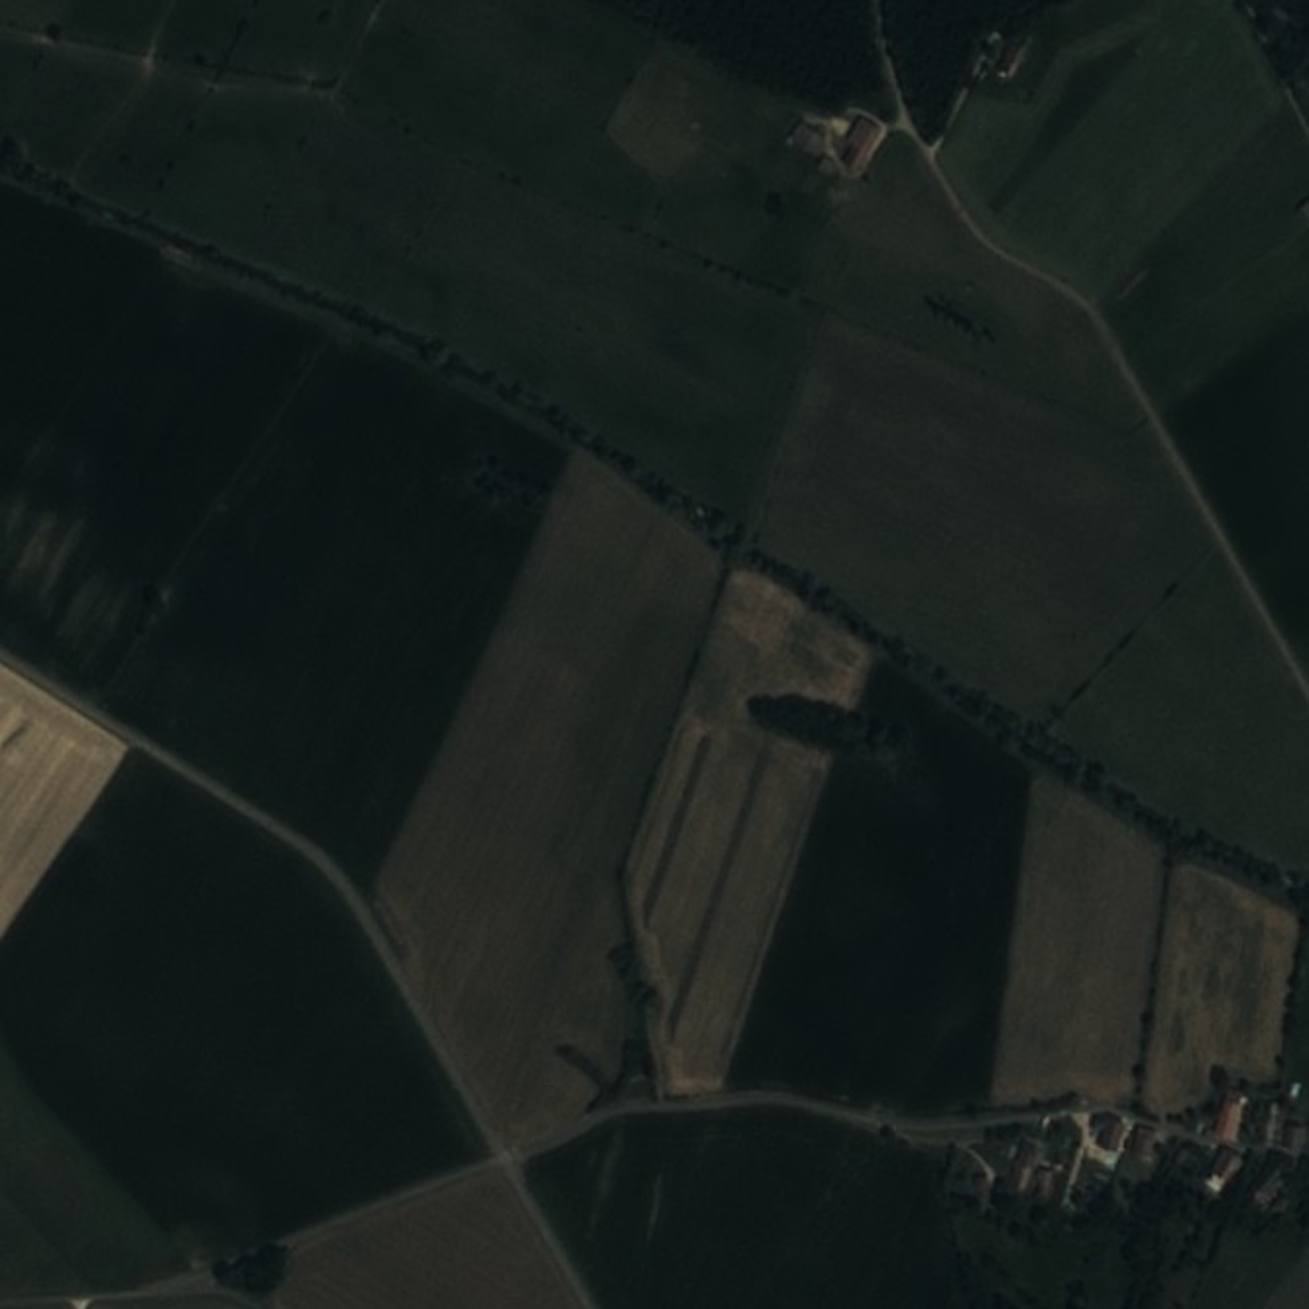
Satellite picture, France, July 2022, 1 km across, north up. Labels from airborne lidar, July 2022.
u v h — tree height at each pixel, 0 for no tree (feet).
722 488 0
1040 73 0
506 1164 0
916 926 0
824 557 0
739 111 0
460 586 0
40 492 0
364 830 0
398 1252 0
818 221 0
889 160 0
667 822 0
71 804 0
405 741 0
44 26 0
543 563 0
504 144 0
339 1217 0
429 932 0
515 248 0
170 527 0
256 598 0
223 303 0
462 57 0
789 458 0
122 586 0
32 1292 0
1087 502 0
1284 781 0
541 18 0
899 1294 0
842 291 0
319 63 0
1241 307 0
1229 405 0
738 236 0
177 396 0
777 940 0
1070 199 0
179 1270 0
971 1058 0
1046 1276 0
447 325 0
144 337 0
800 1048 0
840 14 54
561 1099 0
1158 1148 22
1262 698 0
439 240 0
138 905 0
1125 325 0
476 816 0
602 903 0
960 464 0
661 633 0
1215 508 0
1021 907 0
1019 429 0
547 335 0
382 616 0
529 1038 0
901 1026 0
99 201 0
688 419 0
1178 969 0
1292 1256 0
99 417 0
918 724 0
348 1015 0
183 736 0
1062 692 0
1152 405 0
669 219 0
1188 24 0
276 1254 54
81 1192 0
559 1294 0
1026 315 0
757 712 52
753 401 0
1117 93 0
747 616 0
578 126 0
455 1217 0
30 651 0
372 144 0
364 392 0
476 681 0
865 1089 0
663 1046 0
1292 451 0
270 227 0
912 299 0
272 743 0
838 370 0
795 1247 0
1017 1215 27
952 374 0
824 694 0
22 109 0
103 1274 0
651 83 0
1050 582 0
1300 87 64
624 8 26
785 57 55
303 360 0
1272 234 0
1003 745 31
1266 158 0
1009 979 0
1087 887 0
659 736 0
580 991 0
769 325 0
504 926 0
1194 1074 0
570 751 0
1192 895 0
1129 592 0
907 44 42
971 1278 63
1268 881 53
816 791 0
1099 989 0
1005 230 0
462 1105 0
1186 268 0
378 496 0
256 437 0
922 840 0
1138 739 0
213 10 0
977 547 0
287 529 0
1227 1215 19
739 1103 0
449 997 0
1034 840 0
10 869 0
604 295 0
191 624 0
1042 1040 0
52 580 0
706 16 47
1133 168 0
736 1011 0
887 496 0
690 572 0
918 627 0
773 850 0
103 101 0
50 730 0
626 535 0
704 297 0
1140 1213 52
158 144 0
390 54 0
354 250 0
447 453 0
